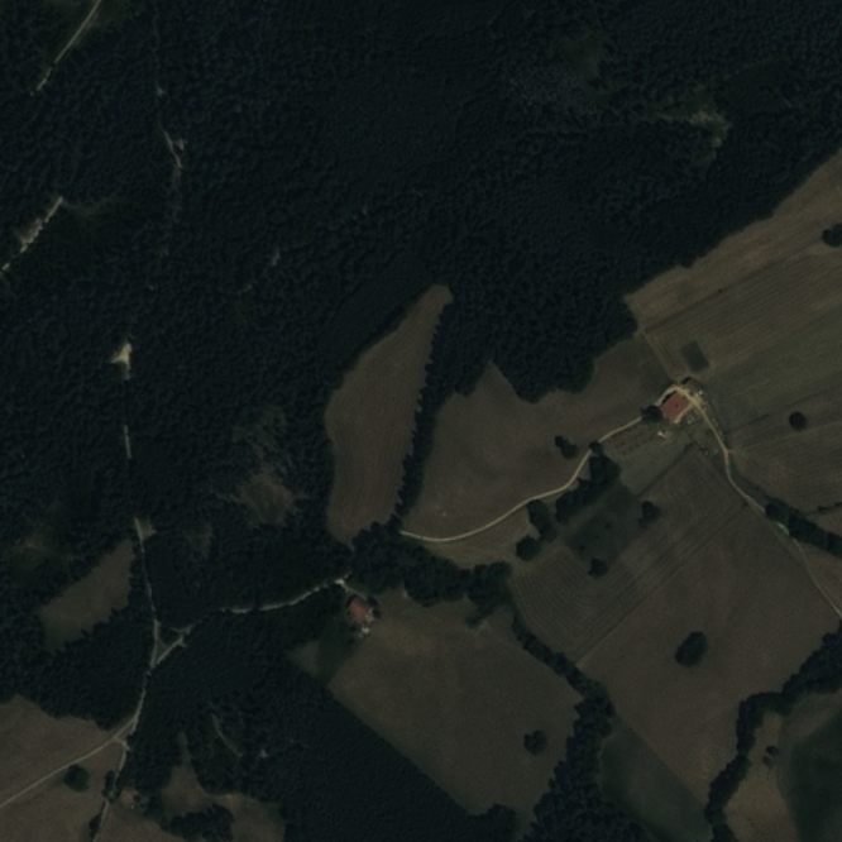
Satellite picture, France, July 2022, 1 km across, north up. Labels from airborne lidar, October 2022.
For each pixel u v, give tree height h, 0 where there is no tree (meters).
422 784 24
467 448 0
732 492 0
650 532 0
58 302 25
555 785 15
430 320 0
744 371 0
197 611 13
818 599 0
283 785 19
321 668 0
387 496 0
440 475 0
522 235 27
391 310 14
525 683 0
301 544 12
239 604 11
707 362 0
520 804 0
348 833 22
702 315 0
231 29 16
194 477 19
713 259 0
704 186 19
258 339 34
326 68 20
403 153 17
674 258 21
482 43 22
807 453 0
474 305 25
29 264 12
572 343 23
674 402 0
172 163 14
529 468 0
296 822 21
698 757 0
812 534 22
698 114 0
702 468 0
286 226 20
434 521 0
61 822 0
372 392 0
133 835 0
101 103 34
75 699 20
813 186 0
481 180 19
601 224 18
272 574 9
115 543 26
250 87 21
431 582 7
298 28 27
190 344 26
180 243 22
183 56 26
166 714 16
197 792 0
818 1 36
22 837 0
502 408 0
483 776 0
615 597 0
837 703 0
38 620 20
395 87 16
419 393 0
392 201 18
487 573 19
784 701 20
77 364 18
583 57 0
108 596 0
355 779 23
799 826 0
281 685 17
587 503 15
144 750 7
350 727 23
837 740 0
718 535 0
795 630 0
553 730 0
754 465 0
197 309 27
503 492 0
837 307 0
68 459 24
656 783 0
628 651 0
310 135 21
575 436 0
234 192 24
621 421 0
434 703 0
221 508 21
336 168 21
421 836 21
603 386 0
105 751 0
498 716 0
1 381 20
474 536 0
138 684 8
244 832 0
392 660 0
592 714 25
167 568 16
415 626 0
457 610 0
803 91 24
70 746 0
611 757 0
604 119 26
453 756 0
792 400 0
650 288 0
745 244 0
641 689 0
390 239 18
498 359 23
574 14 25
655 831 0
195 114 37
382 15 16
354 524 0
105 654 12
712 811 11
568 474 0
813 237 0
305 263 20
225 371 32
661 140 14
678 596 0
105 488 32
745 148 18
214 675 14
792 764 0
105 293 28
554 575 0
